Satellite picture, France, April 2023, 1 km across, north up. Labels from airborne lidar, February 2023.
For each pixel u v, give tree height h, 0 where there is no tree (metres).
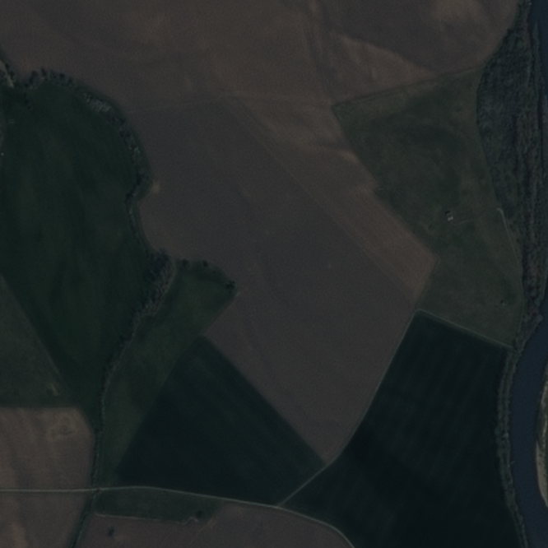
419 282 0
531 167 20
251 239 0
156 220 0
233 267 0
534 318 8
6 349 0
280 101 0
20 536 0
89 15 0
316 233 0
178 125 0
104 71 0
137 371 0
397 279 0
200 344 0
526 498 0
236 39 0
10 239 0
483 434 0
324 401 0
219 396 0
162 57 0
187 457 0
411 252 0
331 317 0
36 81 16
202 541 0
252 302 0
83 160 0
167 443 0
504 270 0
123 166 0
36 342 0
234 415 0
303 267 0
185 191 0
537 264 20
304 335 0
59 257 0
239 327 0
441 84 0
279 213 0
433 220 0
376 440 0
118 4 0
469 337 0
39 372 0
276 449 0
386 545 0
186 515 0
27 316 0
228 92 0
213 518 0
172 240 0
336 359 0
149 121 0
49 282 0
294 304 0
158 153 0
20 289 0
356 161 0
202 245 0
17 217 0
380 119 0
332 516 0
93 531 0
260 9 0
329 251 0
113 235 0
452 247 0
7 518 0
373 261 0
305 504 0
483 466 0
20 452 0
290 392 0
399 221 0
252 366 0
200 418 0
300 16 0
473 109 0
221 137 0
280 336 0
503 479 19
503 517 0
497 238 0
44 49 0
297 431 0
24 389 0
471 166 0
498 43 0
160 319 0
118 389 0
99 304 0
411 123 0
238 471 0
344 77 0
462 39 0
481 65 0
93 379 0
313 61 0
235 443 0
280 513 0
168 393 0
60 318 0
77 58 0
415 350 0
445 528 0
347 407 0
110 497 0
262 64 0
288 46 0
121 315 0
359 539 0
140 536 0
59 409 0
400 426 0
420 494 0
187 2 0
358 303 0
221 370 0
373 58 0
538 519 0
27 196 0
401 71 0
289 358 0
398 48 0
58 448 0
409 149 0
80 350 0
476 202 0
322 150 0
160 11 0
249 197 0
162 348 0
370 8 0
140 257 0
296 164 0
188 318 0
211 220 0
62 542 0
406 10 0
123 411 0
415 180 0
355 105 0
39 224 0
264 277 0
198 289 0
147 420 0
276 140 0
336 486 0
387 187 0
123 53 0
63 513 0
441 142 0
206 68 0
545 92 0
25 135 0
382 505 0
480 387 0
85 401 0
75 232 0
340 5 0
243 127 0
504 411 15
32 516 0
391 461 0
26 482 0
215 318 0
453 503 0
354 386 0
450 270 0
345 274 0
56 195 0
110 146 0
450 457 0
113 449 0
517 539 0
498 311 0
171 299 0
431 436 0
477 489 0
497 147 0
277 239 0
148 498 0
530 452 0
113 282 0
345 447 0
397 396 0
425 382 0
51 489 0
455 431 0
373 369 0
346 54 0
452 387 0
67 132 0
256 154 0
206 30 0
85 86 0
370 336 0
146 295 0
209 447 0
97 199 0
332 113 0
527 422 0
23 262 0
